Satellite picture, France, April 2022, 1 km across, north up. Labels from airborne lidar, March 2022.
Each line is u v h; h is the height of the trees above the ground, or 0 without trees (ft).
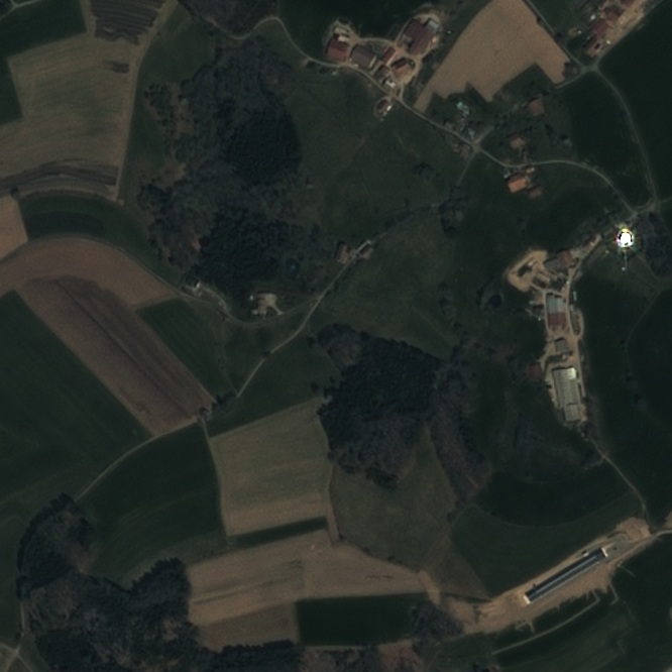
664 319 0
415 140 0
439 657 0
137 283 0
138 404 0
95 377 0
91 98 0
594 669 0
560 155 0
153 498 0
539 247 0
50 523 75
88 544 86
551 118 0
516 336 0
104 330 0
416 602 0
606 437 0
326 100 0
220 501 0
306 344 0
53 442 0
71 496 0
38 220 0
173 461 0
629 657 0
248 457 0
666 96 0
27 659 0
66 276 0
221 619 0
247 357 0
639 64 0
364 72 0
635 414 0
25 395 0
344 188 0
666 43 0
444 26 0
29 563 75
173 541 0
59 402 0
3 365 0
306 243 47
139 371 0
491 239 0
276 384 0
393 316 0
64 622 90
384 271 0
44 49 0
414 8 0
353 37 0
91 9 0
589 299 0
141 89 0
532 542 0
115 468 0
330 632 0
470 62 0
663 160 0
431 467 0
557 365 0
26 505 0
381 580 0
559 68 0
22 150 0
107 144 0
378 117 0
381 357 51
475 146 0
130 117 0
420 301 0
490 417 0
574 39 0
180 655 18
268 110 62
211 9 88
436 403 87
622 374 0
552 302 0
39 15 0
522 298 0
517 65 0
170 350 0
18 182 0
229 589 0
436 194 0
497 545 0
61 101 0
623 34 0
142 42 0
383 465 69
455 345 0
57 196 0
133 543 0
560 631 0
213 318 0
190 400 0
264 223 77
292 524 0
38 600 86
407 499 0
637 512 0
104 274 0
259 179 61
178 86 0
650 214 0
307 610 0
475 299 0
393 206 0
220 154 45
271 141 53
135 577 0
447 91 0
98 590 93
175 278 0
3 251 0
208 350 0
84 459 0
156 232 50
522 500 0
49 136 0
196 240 87
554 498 0
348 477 0
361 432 62
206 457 0
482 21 0
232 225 80
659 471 0
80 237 0
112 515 0
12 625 0
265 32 0
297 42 0
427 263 0
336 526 0
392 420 65
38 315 0
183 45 0
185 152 27
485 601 0
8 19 0
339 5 0
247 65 51
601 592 0
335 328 0
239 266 61
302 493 0
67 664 22
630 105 0
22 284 0
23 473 0
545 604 0
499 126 20
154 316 0
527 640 0
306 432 0
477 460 94
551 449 0
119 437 0
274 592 0
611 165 0
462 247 0
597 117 0
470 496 85
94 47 0
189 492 0
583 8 0
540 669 0
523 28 0
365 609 0
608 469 0
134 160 0
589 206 0
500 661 0
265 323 0
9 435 0
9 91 0
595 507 0
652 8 0
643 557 0
